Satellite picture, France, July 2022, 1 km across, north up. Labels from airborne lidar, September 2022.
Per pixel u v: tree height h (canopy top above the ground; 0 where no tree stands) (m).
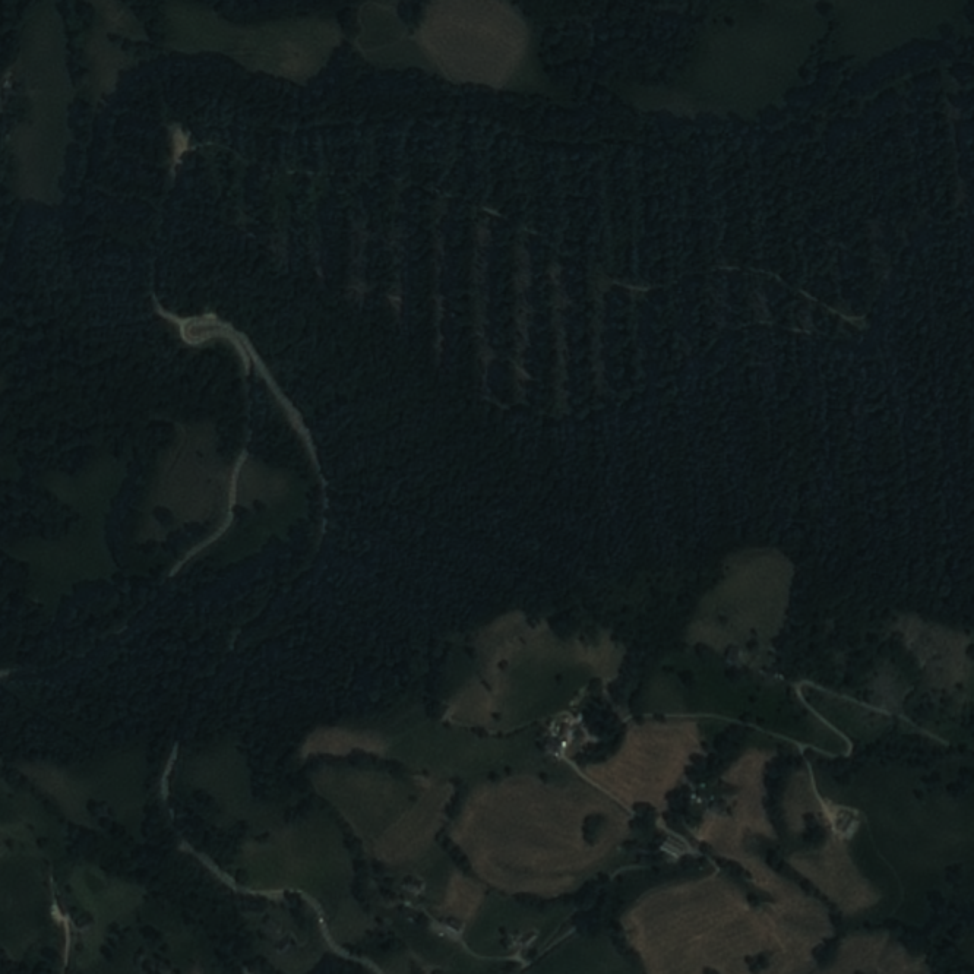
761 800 0
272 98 26
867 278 26
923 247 21
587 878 0
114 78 0
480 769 0
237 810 0
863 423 22
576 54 11
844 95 24
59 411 14
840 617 17
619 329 20
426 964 0
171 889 20
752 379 23
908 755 13
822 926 0
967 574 22
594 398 26
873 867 0
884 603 12
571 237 21
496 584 25
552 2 26
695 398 24
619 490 21
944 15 0
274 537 0
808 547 26
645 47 25
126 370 26
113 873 19
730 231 28
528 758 0
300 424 0
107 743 7
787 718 0
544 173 22
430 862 0
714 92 0
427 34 0
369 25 0
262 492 0
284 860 0
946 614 15
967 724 13
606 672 0
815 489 24
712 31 0
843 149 22
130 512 26
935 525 26
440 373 21
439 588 21
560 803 0
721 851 0
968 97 6
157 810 17
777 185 30
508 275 25
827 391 20
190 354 16
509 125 29
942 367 22
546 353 26
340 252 25
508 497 18
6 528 31
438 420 22
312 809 20
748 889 0
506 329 25
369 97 31
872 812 0
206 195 31
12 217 16
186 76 26
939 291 19
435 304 27
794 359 26
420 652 28
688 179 22
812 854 0
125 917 0
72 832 17
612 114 27
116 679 22
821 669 13
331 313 18
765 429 25
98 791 0
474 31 0
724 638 0
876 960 0
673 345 25
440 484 21
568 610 11
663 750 0
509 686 0
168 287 18
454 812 16
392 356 20
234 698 21
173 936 0
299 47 0
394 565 26
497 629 0
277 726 25
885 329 30
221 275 12
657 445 20
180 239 28
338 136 22
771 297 18
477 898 0
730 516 25
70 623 21
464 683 0
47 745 18
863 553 22
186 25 0
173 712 22
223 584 8
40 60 0
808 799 0
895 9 0
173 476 0
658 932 0
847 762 16
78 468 22
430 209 26
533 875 0
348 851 14
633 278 27
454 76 0
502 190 29
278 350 10
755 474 26
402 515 30
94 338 22
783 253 28
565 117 26
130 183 25
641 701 8
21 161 0
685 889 0
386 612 24
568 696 0
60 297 20
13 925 0
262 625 26
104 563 0
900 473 32
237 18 18
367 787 0
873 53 0
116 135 25
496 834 0
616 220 23
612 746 10
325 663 25
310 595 25
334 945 0
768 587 0
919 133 13
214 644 31
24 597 23
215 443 0
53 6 0
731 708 0
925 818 0
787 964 0
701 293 22
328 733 0
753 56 0
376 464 21
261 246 18
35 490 23
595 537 20
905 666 13
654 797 0
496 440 19
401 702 12
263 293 17
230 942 27
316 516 15
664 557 13
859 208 21
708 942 0
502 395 19
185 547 23
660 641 12
